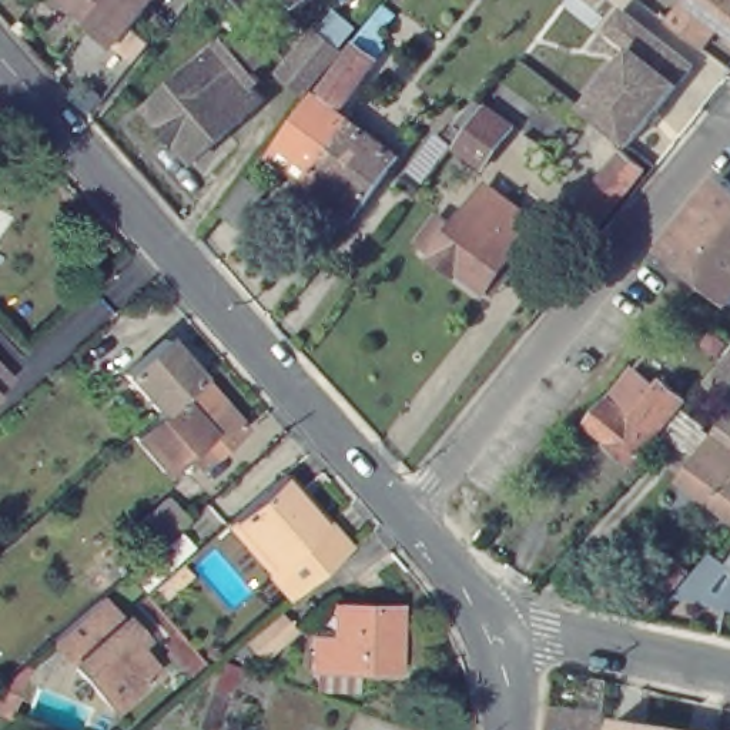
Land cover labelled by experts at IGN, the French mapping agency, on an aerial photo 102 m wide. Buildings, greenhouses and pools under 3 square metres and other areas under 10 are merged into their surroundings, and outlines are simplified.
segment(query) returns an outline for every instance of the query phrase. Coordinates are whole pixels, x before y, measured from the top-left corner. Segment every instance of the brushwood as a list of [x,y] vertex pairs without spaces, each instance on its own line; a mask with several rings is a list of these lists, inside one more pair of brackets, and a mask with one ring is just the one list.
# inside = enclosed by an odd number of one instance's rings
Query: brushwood
[[402,231],[402,225],[411,220],[413,202],[394,205],[371,237],[379,251],[391,245],[394,234]]
[[499,94],[502,83],[516,68],[525,68],[528,54],[508,57],[493,71],[488,88]]
[[331,616],[339,605],[334,599],[325,599],[297,624],[297,636],[311,639],[331,636]]
[[80,345],[74,345],[66,365],[86,368],[91,365],[91,351],[100,348],[106,336],[114,336],[114,328],[97,325]]
[[103,279],[114,274],[114,265],[134,262],[137,248],[123,237],[120,228],[111,234],[100,231]]
[[222,359],[217,365],[257,419],[262,416],[265,402],[259,391],[248,382],[228,365],[228,359]]
[[348,257],[336,251],[311,257],[299,271],[291,274],[291,285],[285,297],[277,302],[277,311],[285,317],[297,311],[302,294],[314,285],[319,274],[336,277],[336,288],[328,291],[328,297],[317,305],[311,319],[299,328],[299,345],[308,342],[308,336],[314,342],[322,339],[322,325],[328,319],[354,311],[359,291],[359,265],[354,265]]
[[31,322],[31,336],[26,339],[0,311],[0,336],[17,354],[31,354],[71,314],[57,305],[40,322]]
[[222,650],[211,659],[211,664],[205,664],[200,673],[183,679],[151,707],[143,704],[120,716],[120,721],[111,730],[160,730],[163,713],[168,713],[174,704],[194,704],[208,710],[208,682],[220,679],[222,670],[231,664],[231,659],[237,659],[237,650]]

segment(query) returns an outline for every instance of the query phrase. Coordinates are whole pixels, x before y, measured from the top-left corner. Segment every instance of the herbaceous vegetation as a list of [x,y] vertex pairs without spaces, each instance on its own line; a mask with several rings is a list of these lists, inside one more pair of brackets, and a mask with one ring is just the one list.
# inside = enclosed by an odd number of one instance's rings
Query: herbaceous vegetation
[[137,17],[145,23],[177,23],[177,37],[165,48],[165,54],[148,54],[143,48],[140,57],[123,68],[128,74],[128,86],[111,97],[104,97],[86,117],[86,125],[97,125],[117,143],[117,148],[134,163],[134,168],[157,188],[157,194],[180,217],[191,217],[194,205],[200,202],[205,188],[202,171],[183,171],[180,165],[174,165],[171,154],[154,137],[157,131],[145,125],[145,120],[140,117],[137,106],[211,43],[228,43],[225,31],[242,26],[245,20],[237,11],[242,0],[148,0]]
[[63,20],[63,11],[46,17],[34,14],[34,6],[46,0],[0,0],[0,17],[6,23],[14,23],[11,37],[23,34],[23,29],[29,26],[48,29]]
[[462,54],[453,57],[445,74],[431,71],[422,77],[419,94],[459,94],[468,100],[479,97],[488,88],[493,71],[508,57],[528,54],[530,37],[562,0],[485,0],[459,34],[468,40]]
[[245,605],[231,607],[231,624],[225,630],[225,639],[237,636],[262,607],[262,602],[254,593],[245,599]]
[[679,362],[682,368],[653,368],[650,362],[642,362],[644,345],[636,328],[630,325],[622,331],[613,356],[596,365],[596,371],[590,374],[590,394],[576,408],[585,416],[596,411],[596,402],[613,391],[613,385],[622,379],[627,368],[633,368],[644,379],[664,382],[682,399],[693,388],[693,382],[701,379],[704,374],[713,374],[713,359],[701,351],[701,345],[684,354],[684,359]]
[[177,596],[185,605],[191,605],[194,627],[214,624],[225,605],[205,585],[191,579],[191,585],[183,587]]
[[570,539],[576,522],[587,516],[590,502],[605,499],[607,490],[622,479],[622,471],[627,471],[630,465],[619,462],[619,456],[602,453],[593,479],[582,482],[576,493],[559,496],[556,516],[548,522],[548,530],[548,545],[539,553],[539,565],[553,567],[556,545]]
[[513,565],[516,548],[525,539],[528,525],[508,519],[499,536],[488,539],[485,550],[502,565]]
[[359,696],[328,693],[317,682],[311,690],[291,690],[271,679],[259,682],[242,673],[242,690],[222,696],[228,713],[242,716],[248,713],[248,696],[257,696],[262,701],[259,730],[399,730],[408,721],[402,704],[402,679],[365,679]]
[[570,100],[562,100],[545,80],[525,68],[516,68],[502,83],[499,94],[505,103],[525,114],[519,137],[528,137],[533,128],[548,134],[565,125],[570,131],[585,134],[587,125],[573,111]]
[[673,693],[670,699],[642,699],[627,713],[627,721],[664,721],[673,730],[696,730],[693,713],[699,707],[682,704]]
[[408,451],[405,465],[408,471],[419,471],[425,453],[439,442],[448,425],[459,416],[459,411],[496,371],[505,354],[516,345],[519,334],[533,325],[536,317],[528,314],[528,305],[519,299],[513,319],[496,334],[496,339],[476,359],[476,365],[462,379],[456,394],[445,402],[445,408],[436,413],[428,431]]
[[194,704],[174,704],[168,713],[163,713],[160,730],[202,730],[208,721],[208,710]]
[[453,14],[453,9],[465,9],[471,0],[385,0],[382,9],[416,20],[422,31],[433,31],[442,14]]
[[650,490],[644,505],[662,510],[662,516],[656,519],[656,548],[670,559],[679,553],[684,556],[687,530],[676,522],[676,510],[664,510],[667,490],[676,479],[673,465],[664,465],[656,473],[662,485]]
[[587,37],[587,26],[576,20],[570,11],[559,17],[559,23],[548,34],[559,43],[556,51],[539,48],[533,54],[539,63],[550,66],[562,80],[567,80],[576,91],[596,71],[599,60],[573,57],[573,46],[582,46]]
[[562,710],[605,713],[605,682],[582,684],[576,676],[559,667],[550,676],[548,704]]
[[80,48],[74,51],[74,63],[60,66],[54,66],[54,77],[71,80],[71,88],[88,74],[106,74],[106,63],[111,54],[111,46],[100,46],[91,37],[83,37]]
[[334,599],[339,605],[402,605],[408,610],[433,607],[431,593],[413,593],[394,565],[382,567],[376,587],[331,587]]
[[83,471],[83,465],[103,448],[106,439],[114,439],[114,433],[108,416],[100,408],[94,408],[91,396],[78,396],[60,385],[17,422],[14,436],[0,442],[0,519],[20,525],[29,505],[46,505],[66,482],[71,482]]
[[345,23],[351,23],[351,11],[359,9],[361,0],[308,0],[285,17],[285,23],[277,29],[274,57],[265,66],[259,66],[254,74],[254,88],[268,103],[279,94],[274,68],[282,54],[288,54],[297,37],[302,37],[305,31],[319,31],[328,14],[339,14]]
[[311,639],[297,636],[279,653],[285,659],[285,667],[297,670],[297,679],[314,679],[308,647]]
[[60,183],[51,194],[37,194],[31,200],[9,200],[0,208],[0,311],[26,339],[31,336],[31,322],[40,322],[57,305],[57,262],[48,257],[54,245],[48,222],[60,214],[63,202],[71,200],[68,183]]
[[208,374],[211,382],[225,394],[225,399],[242,413],[242,419],[251,422],[257,419],[217,365]]
[[[428,217],[442,211],[439,188],[428,188],[425,180],[419,180],[413,202],[411,220],[402,225],[402,231],[394,234],[391,245],[379,251],[371,237],[356,242],[348,257],[354,265],[359,265],[359,291],[354,311],[328,319],[322,325],[322,339],[314,342],[308,336],[308,342],[299,345],[302,354],[325,374],[325,379],[351,402],[351,408],[376,433],[391,431],[394,419],[408,411],[416,391],[431,379],[439,362],[448,356],[448,351],[462,339],[468,328],[473,328],[482,319],[485,308],[473,299],[453,288],[453,279],[445,279],[428,262],[413,257],[413,231]],[[368,279],[374,274],[388,271],[391,259],[396,257],[405,257],[399,279],[379,285],[379,294],[368,297]]]
[[177,490],[177,488],[134,448],[131,456],[103,468],[103,473],[86,488],[86,502],[77,519],[48,516],[31,525],[14,539],[14,545],[6,548],[0,559],[0,682],[11,684],[20,670],[17,662],[6,659],[14,653],[20,639],[37,644],[48,636],[57,642],[94,607],[111,602],[123,616],[140,622],[148,630],[154,659],[160,664],[168,664],[165,639],[160,636],[157,619],[171,619],[171,599],[165,599],[157,590],[143,590],[123,593],[125,567],[114,559],[114,525],[123,513],[137,508],[137,502],[151,499],[165,493]]

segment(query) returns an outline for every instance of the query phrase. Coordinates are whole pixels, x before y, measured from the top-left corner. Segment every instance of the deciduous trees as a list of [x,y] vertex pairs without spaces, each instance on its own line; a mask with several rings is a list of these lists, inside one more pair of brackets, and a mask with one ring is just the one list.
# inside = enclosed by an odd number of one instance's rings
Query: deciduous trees
[[14,436],[17,422],[60,385],[78,396],[91,396],[94,408],[100,408],[108,416],[114,433],[114,439],[106,439],[103,448],[83,465],[83,471],[71,482],[66,482],[46,505],[29,505],[20,525],[0,519],[0,559],[6,548],[14,545],[14,539],[31,525],[48,516],[77,519],[86,502],[86,488],[103,473],[103,468],[131,456],[134,448],[134,436],[143,436],[163,425],[157,411],[148,411],[140,416],[117,399],[114,388],[123,385],[123,379],[117,374],[91,374],[86,368],[66,365],[51,371],[9,416],[0,419],[0,442]]
[[248,160],[237,174],[242,183],[251,183],[251,188],[259,194],[274,185],[271,168],[277,163],[268,160]]
[[445,74],[453,57],[462,54],[468,40],[459,34],[431,71]]
[[642,596],[642,587],[656,585],[656,579],[667,570],[670,559],[656,548],[656,519],[662,516],[662,510],[644,505],[636,508],[610,536],[593,536],[593,528],[639,479],[656,473],[664,465],[673,465],[679,462],[679,448],[673,445],[667,431],[656,431],[636,451],[636,459],[630,465],[627,471],[622,471],[622,479],[607,490],[605,499],[590,502],[587,516],[576,522],[570,539],[556,545],[553,567],[539,565],[533,567],[530,582],[539,593],[542,587],[553,585],[553,593],[566,602],[567,602],[573,590],[596,590],[610,596],[613,605],[627,607],[624,616],[659,622],[659,613],[647,602],[647,596]]
[[362,74],[351,97],[365,103],[368,108],[371,103],[391,106],[411,80],[411,74],[419,68],[419,60],[405,46],[394,43],[399,20],[391,17],[391,23],[382,26],[382,48],[376,51],[376,57],[394,57],[396,68],[374,74],[371,68]]
[[567,165],[562,160],[562,143],[548,140],[548,134],[533,128],[528,137],[539,143],[545,154],[542,168],[553,165],[559,177],[565,177]]
[[730,379],[724,385],[701,388],[701,379],[693,382],[693,388],[682,399],[682,411],[690,419],[696,419],[704,431],[710,431],[713,425],[724,425],[730,431]]
[[716,616],[701,605],[682,602],[682,627],[710,633]]
[[451,622],[445,619],[445,613],[433,607],[408,610],[405,659],[411,676],[402,679],[402,704],[408,721],[399,730],[459,730],[469,710],[465,670],[456,662],[456,650],[451,647]]
[[585,416],[576,408],[545,431],[539,453],[533,459],[519,462],[493,485],[493,490],[482,493],[482,499],[476,502],[482,513],[482,528],[476,548],[485,550],[488,539],[499,536],[508,519],[528,525],[536,522],[548,530],[548,522],[556,516],[559,496],[576,493],[582,482],[593,479],[602,453],[599,442],[587,436],[587,431],[582,428]]
[[419,94],[419,108],[436,117],[448,108],[465,108],[468,100],[459,94]]
[[579,211],[565,211],[562,205],[556,200],[533,200],[528,211],[516,208],[513,242],[508,248],[508,285],[516,291],[519,299],[528,305],[528,314],[536,317],[559,305],[579,308],[593,291],[605,288],[602,271],[613,259],[613,245],[599,231],[590,217]]
[[262,701],[257,696],[248,696],[248,713],[242,716],[240,730],[259,730]]
[[177,596],[171,599],[171,619],[188,639],[197,642],[197,650],[205,664],[211,664],[211,659],[222,650],[237,650],[237,659],[231,659],[231,664],[242,673],[259,682],[271,679],[291,690],[311,690],[317,682],[314,679],[297,679],[297,670],[285,667],[285,659],[279,653],[257,656],[251,650],[251,639],[277,619],[274,610],[262,607],[237,636],[225,639],[225,630],[231,624],[231,607],[225,605],[214,624],[194,627],[191,605],[185,605]]
[[453,188],[465,180],[456,163],[451,160],[453,154],[445,151],[425,180],[428,188],[439,188]]
[[123,314],[145,317],[151,311],[171,311],[180,299],[171,297],[165,288],[157,288],[123,305]]
[[707,334],[724,336],[730,342],[730,305],[716,308],[713,302],[693,294],[684,285],[676,294],[667,294],[662,311],[633,305],[630,314],[636,317],[636,328],[644,345],[642,362],[650,362],[653,368],[682,368],[679,362],[684,359],[684,354],[701,345],[701,336]]
[[145,23],[137,17],[131,20],[131,31],[143,40],[143,48],[148,54],[165,54],[165,48],[177,37],[177,23]]
[[20,670],[31,670],[54,653],[57,642],[48,636],[37,644],[20,639],[14,653],[6,659],[17,662]]
[[57,305],[71,314],[100,302],[103,279],[100,231],[91,222],[91,217],[86,217],[71,200],[63,202],[60,214],[48,222],[54,245],[48,257],[57,262]]
[[125,567],[123,593],[143,590],[151,576],[171,579],[171,562],[180,548],[180,530],[174,516],[160,513],[151,499],[137,502],[137,508],[123,513],[114,525],[114,559]]
[[228,473],[225,482],[217,485],[211,493],[185,496],[183,490],[177,490],[165,493],[185,513],[200,516],[205,508],[225,499],[234,488],[240,488],[251,471],[248,462],[240,462],[234,473]]
[[46,43],[48,29],[29,26],[23,29],[23,34],[31,51],[46,66],[54,66],[60,66],[60,46]]
[[285,17],[282,0],[242,0],[237,11],[245,20],[242,26],[225,31],[228,43],[231,48],[242,51],[259,66],[265,66],[274,57],[277,29],[285,23]]
[[368,279],[368,297],[379,294],[379,285],[399,279],[405,257],[396,257],[391,259],[388,271],[374,274]]
[[699,567],[704,556],[730,565],[730,519],[719,522],[716,513],[701,502],[690,502],[676,510],[676,522],[687,530],[684,556],[684,562],[693,567]]
[[411,120],[396,123],[396,137],[416,151],[428,140],[428,125]]
[[11,111],[9,106],[0,106],[0,208],[9,200],[31,200],[37,194],[51,194],[60,183],[43,177],[43,165],[54,154],[54,148],[43,140],[43,131],[29,117]]

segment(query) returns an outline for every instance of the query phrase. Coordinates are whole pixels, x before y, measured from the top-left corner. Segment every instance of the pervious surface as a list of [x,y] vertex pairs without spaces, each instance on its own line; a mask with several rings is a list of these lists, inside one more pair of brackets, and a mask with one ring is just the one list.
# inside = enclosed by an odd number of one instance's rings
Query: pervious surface
[[567,610],[576,619],[593,624],[610,624],[619,630],[636,630],[647,636],[721,650],[730,644],[730,613],[716,616],[710,633],[682,627],[659,622],[624,616],[587,610],[582,605],[567,602],[566,602]]
[[399,462],[394,473],[411,488],[422,488],[431,482],[433,473],[428,468],[419,471],[408,471],[405,465]]
[[222,359],[228,359],[228,365],[248,382],[248,368],[237,359],[231,345],[214,331],[214,325],[205,317],[197,317],[191,325],[211,342],[211,348]]
[[117,399],[140,416],[148,411],[145,402],[125,385],[128,376],[134,376],[134,368],[128,362],[125,354],[114,356],[111,351],[100,348],[91,351],[91,365],[86,368],[91,374],[117,374],[123,379],[123,385],[114,388]]
[[86,701],[86,713],[80,719],[88,730],[111,730],[120,721],[120,716],[114,713],[111,699],[100,690],[94,676],[88,676],[74,662],[60,662],[54,653],[31,670],[34,707],[40,701]]
[[656,473],[639,479],[593,528],[593,536],[610,536],[636,508],[644,505],[650,490],[662,485]]
[[605,682],[605,713],[607,719],[613,719],[616,707],[627,713],[642,699],[670,699],[673,693],[682,704],[699,707],[724,707],[727,699],[719,690],[690,684],[684,679],[627,679],[624,667],[619,670],[607,662],[602,664],[602,670],[587,670],[585,664],[570,662],[559,667],[576,676],[582,684]]
[[285,168],[277,163],[271,168],[274,185],[259,194],[257,202],[262,211],[279,205],[282,217],[288,220],[297,214],[291,188],[297,185],[299,180],[288,177]]
[[83,37],[77,26],[68,37],[60,40],[60,46],[60,66],[74,63],[74,51],[80,48]]
[[211,473],[200,468],[185,468],[183,482],[177,488],[177,490],[183,490],[185,496],[211,493],[217,485],[225,482],[228,473],[234,473],[240,462],[248,462],[254,453],[265,448],[265,442],[279,428],[274,419],[262,416],[257,419],[251,422],[251,436],[240,448],[228,448],[225,459],[211,465]]
[[550,676],[545,673],[536,682],[536,730],[542,730],[548,719],[548,704]]
[[194,205],[191,217],[180,217],[157,194],[157,188],[134,168],[134,163],[117,148],[117,143],[97,125],[91,128],[91,137],[125,171],[128,183],[137,191],[143,191],[148,202],[180,234],[211,240],[214,231],[222,225],[220,214],[242,183],[237,174],[248,160],[268,160],[265,154],[274,137],[302,100],[299,94],[294,94],[282,100],[279,94],[268,103],[237,137],[225,140],[211,154],[208,168],[202,171],[205,188],[200,202]]
[[268,570],[234,536],[234,525],[240,519],[234,510],[251,502],[265,485],[271,485],[271,479],[279,471],[291,468],[297,465],[299,445],[291,439],[271,459],[251,471],[240,488],[234,488],[225,499],[205,508],[200,516],[197,528],[188,528],[185,533],[194,542],[194,556],[188,559],[188,570],[194,573],[191,579],[205,585],[200,565],[208,550],[217,550],[237,567],[237,573],[254,593],[262,602],[262,607],[274,610],[285,599],[271,582]]
[[111,97],[128,86],[128,74],[123,68],[111,54],[106,63],[106,74]]
[[485,550],[476,548],[482,528],[459,510],[442,516],[445,530],[468,548],[473,565],[516,590],[522,590],[530,582],[533,567],[539,565],[539,553],[548,545],[548,530],[536,522],[528,525],[525,539],[516,548],[513,565],[502,565]]
[[382,567],[394,565],[413,593],[431,593],[433,587],[428,576],[405,565],[396,553],[376,559]]
[[297,311],[285,317],[277,311],[277,302],[285,297],[291,285],[291,274],[279,277],[271,291],[265,291],[259,277],[248,274],[245,262],[237,262],[225,265],[222,259],[214,259],[211,268],[268,328],[271,345],[279,345],[285,356],[299,359],[299,368],[368,445],[379,442],[376,433],[351,408],[351,402],[325,379],[325,374],[302,354],[299,345],[299,328],[311,319],[317,305],[328,297],[328,291],[336,288],[336,277],[319,274],[314,285],[302,294]]

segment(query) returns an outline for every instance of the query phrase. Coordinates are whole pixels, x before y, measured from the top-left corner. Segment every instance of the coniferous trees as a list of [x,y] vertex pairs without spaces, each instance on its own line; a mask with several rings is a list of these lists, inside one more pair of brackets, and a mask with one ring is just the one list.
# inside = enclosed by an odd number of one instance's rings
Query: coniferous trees
[[336,251],[351,231],[356,231],[365,222],[368,214],[361,205],[352,221],[348,221],[297,185],[291,188],[297,214],[288,220],[282,217],[279,205],[262,211],[257,202],[248,202],[242,208],[242,220],[237,228],[237,262],[245,262],[248,274],[259,277],[265,291],[271,291],[279,277],[291,274],[299,271],[311,257]]

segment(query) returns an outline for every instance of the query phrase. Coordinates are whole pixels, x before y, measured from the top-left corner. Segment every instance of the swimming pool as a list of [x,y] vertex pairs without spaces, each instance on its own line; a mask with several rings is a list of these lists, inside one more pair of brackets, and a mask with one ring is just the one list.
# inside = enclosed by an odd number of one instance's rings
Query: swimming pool
[[29,710],[29,716],[34,719],[37,730],[88,730],[80,719],[86,713],[86,701],[40,701],[34,707]]
[[208,550],[200,565],[205,585],[225,605],[231,607],[245,605],[245,599],[254,593],[237,573],[237,567],[217,550]]

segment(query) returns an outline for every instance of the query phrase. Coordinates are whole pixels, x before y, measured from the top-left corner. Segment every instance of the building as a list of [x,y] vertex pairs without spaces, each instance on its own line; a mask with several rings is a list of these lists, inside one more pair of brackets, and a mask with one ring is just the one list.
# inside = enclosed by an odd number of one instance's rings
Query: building
[[257,202],[259,194],[251,188],[251,183],[242,183],[220,214],[222,225],[237,228],[242,220],[242,208],[248,202]]
[[68,100],[77,103],[86,117],[104,97],[111,97],[106,74],[88,74],[71,88]]
[[271,485],[265,485],[251,502],[234,510],[240,519],[234,525],[234,536],[268,570],[271,582],[285,599],[308,599],[314,590],[328,585],[354,548],[354,542],[294,482],[291,468],[279,471],[271,479]]
[[411,676],[405,659],[408,610],[402,605],[339,605],[331,616],[331,636],[311,639],[308,647],[314,679],[317,682],[328,693],[359,696],[365,679],[402,679]]
[[242,673],[231,664],[222,670],[220,679],[208,682],[208,710],[208,721],[202,730],[240,730],[242,716],[228,713],[222,696],[242,690]]
[[265,154],[268,160],[277,163],[285,168],[288,177],[299,180],[297,185],[348,221],[352,221],[361,205],[359,202],[371,197],[376,183],[385,177],[385,171],[394,165],[394,154],[382,151],[376,140],[362,134],[354,123],[342,117],[342,106],[351,97],[362,74],[371,68],[371,57],[365,51],[359,51],[356,46],[339,46],[351,23],[345,23],[339,14],[328,14],[319,31],[305,31],[302,37],[297,37],[288,54],[282,54],[274,68],[279,94],[282,100],[294,94],[299,94],[302,100],[274,137]]
[[699,200],[699,205],[690,208],[687,220],[673,220],[664,225],[659,222],[650,231],[647,251],[659,257],[670,274],[679,274],[684,285],[693,294],[713,302],[716,308],[730,305],[730,177],[704,200]]
[[548,719],[542,730],[673,730],[664,721],[627,721],[627,713],[616,707],[613,719],[607,719],[605,713],[562,710],[548,704]]
[[616,60],[599,60],[596,71],[576,91],[567,80],[562,80],[550,66],[539,63],[533,54],[528,54],[525,68],[545,80],[562,100],[570,100],[573,111],[587,125],[607,137],[616,145],[616,151],[607,160],[607,165],[596,168],[593,177],[562,205],[565,211],[579,211],[590,217],[599,231],[630,191],[633,180],[639,177],[639,165],[627,160],[624,148],[630,143],[642,143],[653,125],[659,125],[673,111],[684,88],[690,86],[682,77],[682,71],[693,63],[684,60],[662,37],[656,37],[650,29],[636,23],[627,9],[619,7],[599,31],[623,51]]
[[77,26],[83,37],[91,37],[100,46],[111,46],[111,54],[123,68],[140,57],[143,48],[143,40],[131,31],[131,20],[137,17],[148,0],[46,0],[34,6],[34,14],[46,17],[63,11],[63,20],[48,29],[46,43],[60,46],[60,40],[68,37]]
[[716,616],[730,613],[730,565],[704,556],[699,567],[693,567],[684,562],[684,556],[679,553],[670,559],[667,570],[656,579],[656,585],[642,587],[642,596],[647,596],[647,602],[659,613],[659,622],[682,627],[682,602],[701,605]]
[[251,639],[251,650],[257,656],[279,653],[297,636],[297,624],[288,619],[277,619]]
[[191,579],[194,573],[188,570],[188,559],[194,556],[194,542],[185,533],[188,528],[197,528],[200,516],[185,513],[165,493],[151,499],[160,513],[174,516],[180,530],[180,548],[171,562],[171,579],[151,576],[143,590],[157,590],[165,599],[171,599],[177,596],[183,587],[191,585]]
[[94,676],[100,690],[111,699],[114,713],[120,716],[143,704],[151,707],[183,679],[200,673],[205,664],[197,650],[197,642],[188,639],[171,619],[157,619],[160,636],[165,639],[168,664],[160,664],[154,659],[148,630],[140,622],[123,616],[111,602],[94,607],[57,642],[54,653],[60,662],[74,662],[88,676]]
[[704,374],[701,379],[701,388],[724,385],[730,379],[730,342],[724,336],[707,334],[701,336],[701,345],[701,351],[713,359],[713,374]]
[[508,285],[508,248],[513,242],[516,208],[510,200],[493,191],[493,183],[485,183],[462,205],[453,205],[453,220],[442,220],[442,211],[428,217],[413,231],[413,257],[428,262],[445,279],[453,279],[453,288],[473,299],[482,288],[496,294],[502,285]]
[[211,154],[225,140],[237,137],[268,103],[254,88],[254,74],[259,66],[242,51],[231,48],[228,43],[211,43],[137,106],[140,117],[145,120],[145,125],[157,131],[154,137],[171,154],[174,165],[180,165],[183,171],[202,171],[208,168]]
[[183,342],[171,339],[154,339],[143,348],[140,359],[128,362],[134,368],[134,376],[128,376],[125,385],[145,402],[148,411],[157,411],[163,425],[143,436],[134,436],[134,448],[177,488],[183,482],[185,468],[200,468],[211,473],[211,465],[225,459],[228,448],[240,448],[251,436],[251,422],[242,419],[242,413],[225,399],[225,394],[211,382],[208,374]]
[[0,730],[37,730],[34,719],[29,716],[29,710],[34,707],[31,670],[20,670],[11,684],[0,682]]
[[271,459],[291,439],[279,428],[265,442],[265,448],[254,453],[248,462],[251,471]]
[[17,388],[17,376],[0,362],[0,394],[6,394],[6,388]]
[[285,17],[308,0],[282,0]]
[[636,451],[656,431],[667,431],[673,445],[679,448],[679,462],[673,465],[676,479],[667,490],[664,510],[676,510],[690,502],[701,502],[716,513],[719,522],[730,519],[730,431],[724,425],[713,425],[710,431],[704,431],[696,419],[690,419],[682,411],[682,399],[664,382],[644,379],[633,368],[627,368],[622,379],[613,385],[613,391],[596,402],[596,411],[585,416],[582,428],[587,431],[587,436],[599,442],[602,453],[619,456],[619,462],[630,465],[636,459]]
[[496,117],[490,108],[479,103],[479,97],[468,100],[465,108],[448,108],[436,117],[419,108],[411,114],[411,120],[428,125],[428,140],[416,151],[408,163],[408,174],[419,180],[425,180],[445,151],[453,154],[451,160],[456,163],[465,180],[476,174],[476,148],[490,148],[499,140],[499,131],[508,125],[502,117]]
[[721,48],[730,46],[730,0],[682,0],[682,6],[670,9],[667,14],[659,14],[659,23],[664,23],[664,29],[670,29],[693,48],[707,43],[713,34],[719,37]]

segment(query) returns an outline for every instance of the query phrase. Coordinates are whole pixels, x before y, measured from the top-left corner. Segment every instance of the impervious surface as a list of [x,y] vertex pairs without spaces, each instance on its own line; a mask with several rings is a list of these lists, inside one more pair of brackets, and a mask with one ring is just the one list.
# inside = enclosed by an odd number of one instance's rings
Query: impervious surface
[[[43,177],[60,183],[68,183],[71,200],[86,217],[91,217],[91,222],[100,231],[111,234],[120,228],[123,237],[137,248],[134,262],[114,265],[114,274],[103,279],[100,302],[71,314],[31,354],[17,354],[0,336],[0,362],[17,376],[17,388],[6,388],[6,394],[0,394],[0,419],[9,416],[51,371],[66,365],[74,345],[80,345],[97,325],[114,328],[114,336],[106,336],[100,348],[111,351],[114,356],[125,354],[128,362],[140,359],[143,348],[154,339],[171,339],[183,342],[208,374],[217,365],[222,359],[211,348],[211,342],[191,325],[197,317],[205,317],[214,325],[214,331],[231,345],[237,359],[248,368],[248,382],[259,391],[265,402],[262,416],[274,419],[279,428],[291,439],[299,445],[297,465],[291,468],[294,482],[354,542],[354,548],[328,585],[314,590],[308,599],[285,599],[274,610],[277,619],[288,619],[297,624],[325,599],[334,599],[331,587],[376,587],[382,567],[376,559],[396,553],[405,565],[428,576],[433,587],[431,593],[433,607],[445,613],[445,619],[451,622],[451,647],[456,650],[456,662],[465,670],[469,710],[459,730],[536,730],[536,682],[545,673],[550,676],[559,667],[570,662],[585,664],[587,670],[602,670],[602,664],[607,662],[619,670],[624,667],[627,679],[684,679],[690,684],[719,690],[727,699],[724,707],[699,707],[693,713],[696,730],[730,730],[730,644],[721,650],[647,636],[636,630],[619,630],[610,624],[593,624],[576,619],[567,610],[566,602],[553,593],[553,585],[542,587],[539,593],[530,582],[522,590],[516,590],[473,565],[468,548],[445,530],[442,516],[459,510],[482,528],[482,513],[476,502],[482,499],[482,493],[493,490],[493,485],[519,462],[533,459],[539,453],[545,431],[576,408],[590,394],[590,374],[596,371],[596,365],[613,356],[622,331],[630,325],[636,328],[636,317],[630,314],[633,305],[662,311],[667,294],[676,294],[684,285],[679,274],[670,274],[659,257],[647,251],[650,231],[659,222],[664,225],[673,220],[687,220],[690,208],[699,205],[699,200],[704,200],[730,177],[730,46],[721,48],[719,37],[713,34],[707,43],[693,48],[670,29],[664,29],[664,23],[659,23],[659,14],[667,14],[670,9],[682,6],[682,0],[562,0],[530,37],[528,54],[533,54],[539,48],[556,51],[559,43],[548,34],[559,23],[559,17],[570,11],[576,20],[587,26],[587,37],[582,46],[573,46],[573,57],[599,60],[616,60],[623,51],[599,31],[619,7],[627,9],[636,23],[650,29],[656,37],[662,37],[684,60],[693,63],[682,71],[682,77],[690,86],[684,88],[673,111],[659,125],[653,125],[642,143],[630,143],[624,148],[627,160],[639,165],[639,177],[633,180],[630,191],[599,231],[613,245],[613,259],[602,271],[605,288],[593,291],[579,308],[559,305],[536,317],[533,325],[519,334],[516,345],[505,354],[496,371],[459,411],[459,416],[448,425],[439,442],[425,453],[419,471],[428,468],[433,473],[431,482],[422,488],[411,488],[394,473],[399,462],[405,465],[408,451],[428,431],[436,413],[445,408],[445,402],[456,394],[462,379],[476,365],[476,359],[496,339],[496,334],[513,319],[519,299],[516,291],[508,285],[502,285],[496,294],[482,288],[473,299],[485,308],[482,319],[473,328],[468,328],[462,339],[448,351],[448,356],[439,362],[431,379],[416,391],[408,411],[394,419],[391,431],[376,433],[379,442],[368,445],[299,368],[299,359],[285,356],[279,345],[271,345],[268,328],[211,268],[214,259],[222,259],[225,265],[237,262],[237,228],[222,225],[214,231],[211,240],[180,234],[148,202],[143,191],[137,191],[128,183],[125,171],[91,137],[91,128],[97,125],[86,125],[86,117],[77,103],[68,100],[71,88],[71,80],[54,77],[54,66],[46,66],[31,51],[23,34],[11,37],[14,23],[6,23],[0,17],[0,106],[9,106],[11,111],[29,117],[43,131],[43,140],[54,148],[54,154],[43,165]],[[165,288],[171,297],[180,299],[171,311],[151,311],[145,317],[123,314],[123,305],[157,288]]]
[[582,605],[587,610],[624,616],[627,607],[613,605],[610,596],[596,590],[573,590],[567,602]]
[[442,220],[453,220],[453,205],[462,205],[485,183],[493,183],[493,191],[510,200],[516,208],[528,211],[533,200],[556,200],[562,205],[593,177],[596,168],[607,165],[607,160],[616,151],[616,145],[607,137],[587,125],[585,134],[570,131],[565,125],[548,134],[548,140],[562,143],[562,160],[567,165],[565,177],[559,177],[553,165],[542,168],[545,154],[539,143],[528,137],[519,137],[525,114],[505,103],[499,94],[488,88],[479,97],[479,103],[490,108],[496,117],[502,117],[508,125],[499,131],[499,140],[490,148],[476,148],[476,174],[465,180],[453,188],[439,188],[442,211]]
[[371,68],[374,74],[396,68],[394,57],[376,57],[376,51],[382,48],[382,26],[391,23],[391,17],[399,20],[394,43],[405,46],[419,60],[419,68],[411,74],[411,80],[391,106],[371,103],[368,108],[365,103],[351,97],[342,106],[342,117],[354,123],[362,134],[376,140],[382,151],[394,154],[394,165],[385,171],[385,177],[376,183],[371,197],[359,202],[361,205],[368,214],[365,222],[356,231],[351,231],[336,251],[348,257],[356,242],[371,237],[394,205],[413,202],[419,180],[408,174],[408,163],[416,151],[396,137],[396,123],[411,120],[411,114],[419,108],[419,94],[422,77],[431,71],[459,34],[485,0],[471,0],[465,9],[453,9],[453,14],[442,14],[433,31],[422,31],[416,20],[382,9],[385,0],[361,0],[359,9],[351,11],[351,23],[339,46],[356,46],[359,51],[365,51],[371,57]]

